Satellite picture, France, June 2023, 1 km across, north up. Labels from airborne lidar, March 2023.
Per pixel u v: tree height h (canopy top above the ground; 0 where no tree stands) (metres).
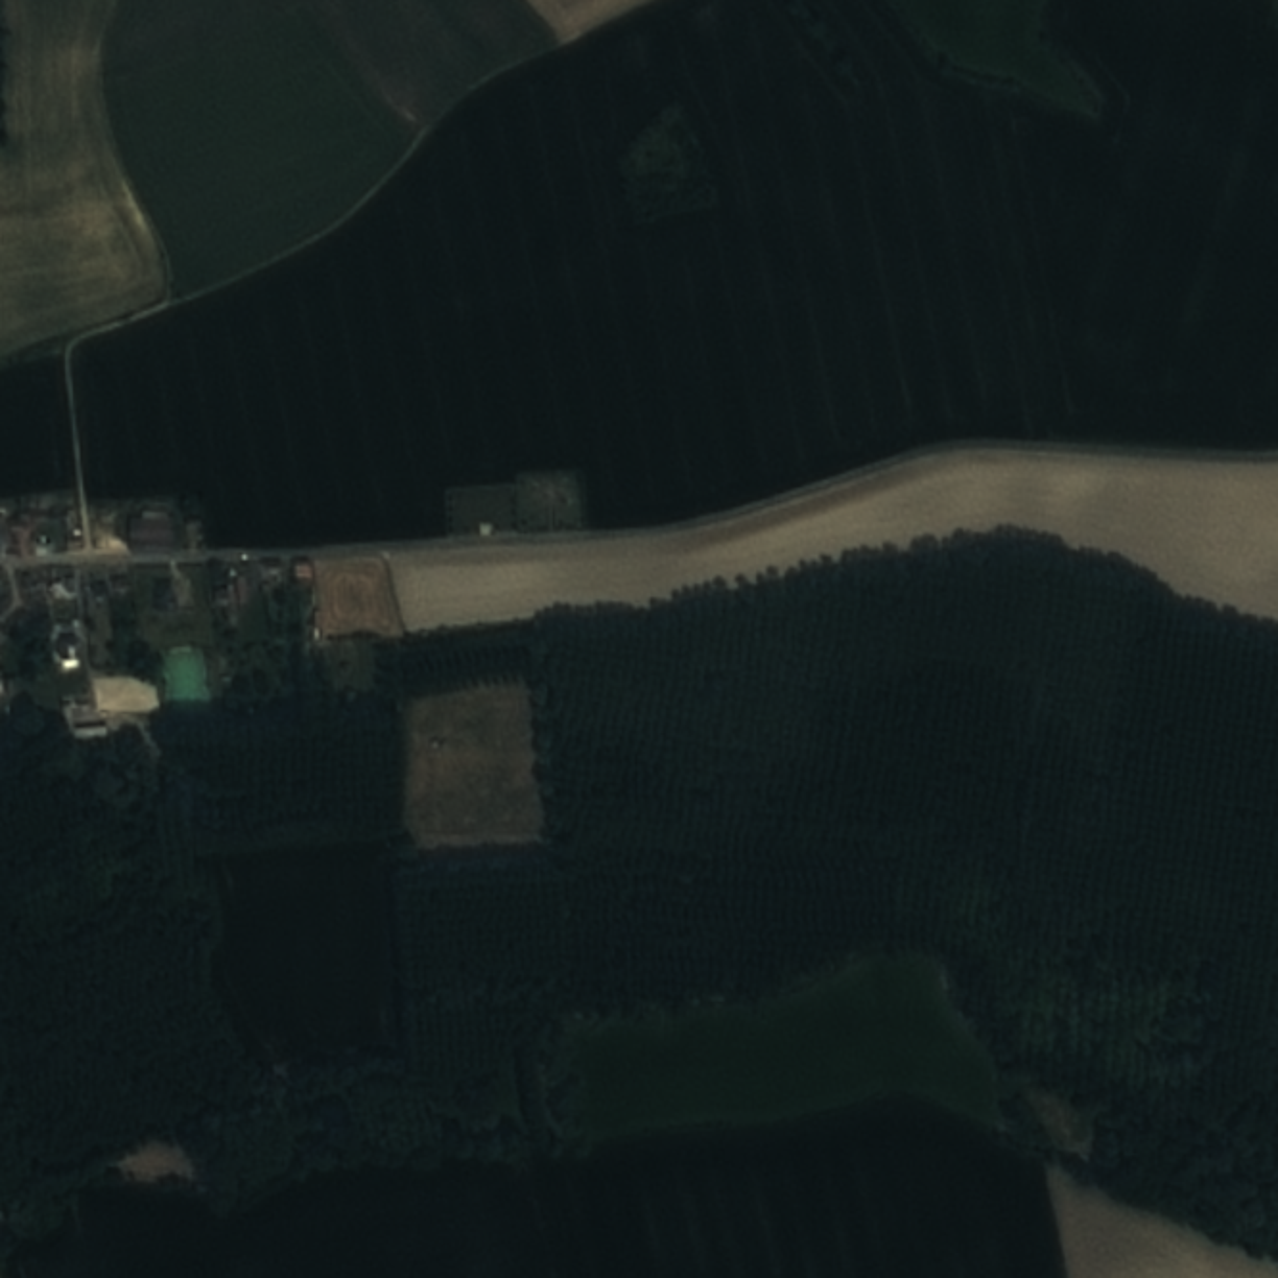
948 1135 0
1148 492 0
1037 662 28
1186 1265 0
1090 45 0
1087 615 27
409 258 0
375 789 28
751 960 23
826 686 24
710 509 0
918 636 29
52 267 0
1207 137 0
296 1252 0
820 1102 0
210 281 0
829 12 0
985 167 0
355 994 0
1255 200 0
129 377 0
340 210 0
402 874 25
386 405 0
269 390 0
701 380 0
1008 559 28
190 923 13
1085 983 17
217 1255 0
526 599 0
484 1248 0
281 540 0
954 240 0
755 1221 0
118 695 0
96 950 9
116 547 0
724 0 0
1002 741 21
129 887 16
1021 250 0
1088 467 0
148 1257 0
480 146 0
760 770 25
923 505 0
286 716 27
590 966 22
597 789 21
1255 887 28
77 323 0
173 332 0
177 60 0
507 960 28
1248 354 0
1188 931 25
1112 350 0
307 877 0
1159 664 31
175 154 0
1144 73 0
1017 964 19
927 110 0
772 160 0
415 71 0
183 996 20
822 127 0
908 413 0
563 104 0
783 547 0
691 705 25
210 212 0
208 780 29
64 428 0
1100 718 23
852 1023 0
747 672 24
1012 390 0
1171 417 0
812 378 0
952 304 0
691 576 0
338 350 0
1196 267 0
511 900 26
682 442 0
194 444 0
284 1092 27
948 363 0
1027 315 0
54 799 23
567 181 0
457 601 0
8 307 0
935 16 0
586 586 0
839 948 25
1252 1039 28
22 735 28
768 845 24
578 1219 0
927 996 0
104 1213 0
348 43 0
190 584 0
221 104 0
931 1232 0
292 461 0
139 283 0
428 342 0
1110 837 26
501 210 0
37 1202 21
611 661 25
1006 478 0
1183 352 0
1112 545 0
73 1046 10
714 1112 0
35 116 0
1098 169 0
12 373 0
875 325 0
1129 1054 25
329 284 0
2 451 0
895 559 20
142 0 0
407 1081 26
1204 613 22
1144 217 0
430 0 0
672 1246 0
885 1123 0
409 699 0
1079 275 0
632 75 0
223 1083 21
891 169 0
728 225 0
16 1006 13
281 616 6
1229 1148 25
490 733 0
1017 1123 21
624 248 0
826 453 0
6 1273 0
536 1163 0
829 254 0
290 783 29
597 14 0
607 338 0
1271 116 0
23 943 18
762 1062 0
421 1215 0
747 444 0
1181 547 0
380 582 0
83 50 0
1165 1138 25
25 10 0
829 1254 0
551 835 10
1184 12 0
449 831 0
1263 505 0
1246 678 29
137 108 0
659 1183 0
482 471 0
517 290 0
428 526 0
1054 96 0
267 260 0
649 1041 0
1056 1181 0
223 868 0
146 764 21
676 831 22
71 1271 0
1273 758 27
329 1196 0
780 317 0
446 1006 28
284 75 0
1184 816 28
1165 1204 18
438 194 0
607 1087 0
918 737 20
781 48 0
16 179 0
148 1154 0
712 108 0
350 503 0
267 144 0
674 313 0
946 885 27
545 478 0
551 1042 32
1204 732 26
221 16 0
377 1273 0
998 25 0
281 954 0
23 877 28
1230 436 0
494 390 0
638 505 0
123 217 0
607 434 0
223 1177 15
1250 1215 28
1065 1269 0
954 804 21
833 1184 0
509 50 0
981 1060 0
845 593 24
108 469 0
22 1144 21
